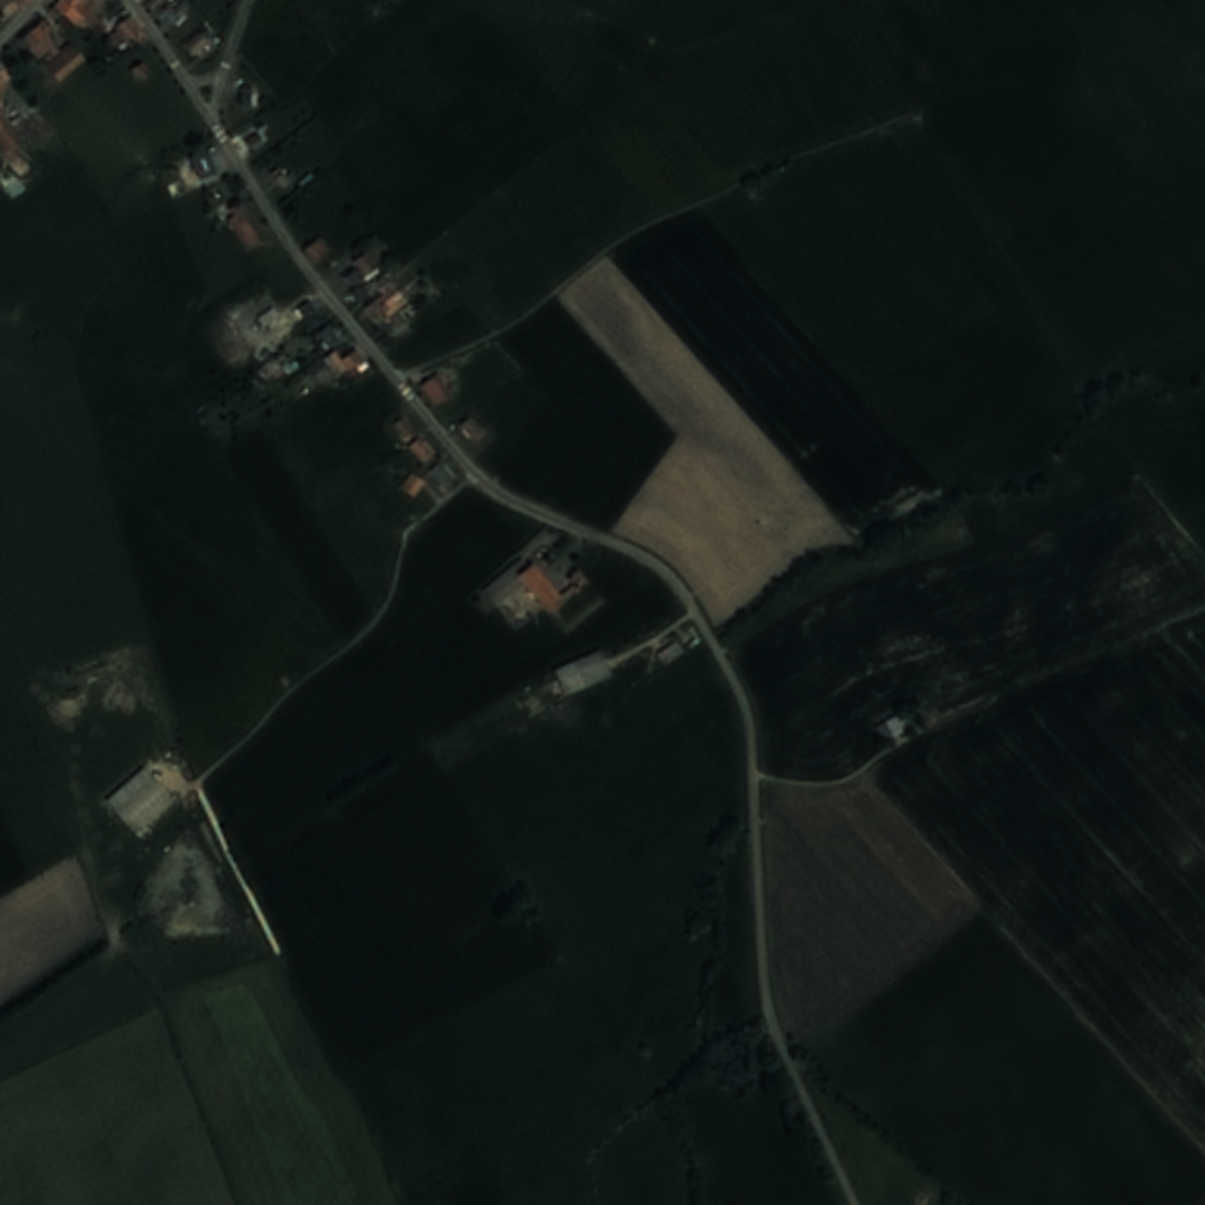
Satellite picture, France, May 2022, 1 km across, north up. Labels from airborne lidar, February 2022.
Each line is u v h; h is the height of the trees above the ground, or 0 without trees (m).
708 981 13
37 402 0
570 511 0
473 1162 0
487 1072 0
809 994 0
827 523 0
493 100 0
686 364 0
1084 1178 0
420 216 0
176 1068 0
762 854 0
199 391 0
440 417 0
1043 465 0
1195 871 0
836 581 0
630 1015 0
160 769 0
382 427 0
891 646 0
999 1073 0
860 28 0
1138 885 0
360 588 0
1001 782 0
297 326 0
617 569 0
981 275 0
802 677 0
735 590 0
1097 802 0
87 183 0
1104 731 0
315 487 0
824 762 0
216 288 0
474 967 0
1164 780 0
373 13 0
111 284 0
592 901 0
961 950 0
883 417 0
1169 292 0
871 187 0
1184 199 0
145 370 0
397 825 0
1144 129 0
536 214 0
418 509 0
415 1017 0
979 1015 0
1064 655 0
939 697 0
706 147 0
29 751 0
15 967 0
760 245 0
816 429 0
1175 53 0
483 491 0
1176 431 0
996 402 0
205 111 0
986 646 0
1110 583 0
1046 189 0
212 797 0
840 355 0
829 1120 0
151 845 0
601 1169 0
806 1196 0
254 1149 0
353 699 0
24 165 0
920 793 0
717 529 0
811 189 0
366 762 0
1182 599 0
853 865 0
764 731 0
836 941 0
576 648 0
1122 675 0
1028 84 0
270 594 0
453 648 0
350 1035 0
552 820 0
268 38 0
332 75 0
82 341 0
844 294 0
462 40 0
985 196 0
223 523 0
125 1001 0
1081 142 0
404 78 0
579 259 0
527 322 0
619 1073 0
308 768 0
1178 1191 0
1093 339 0
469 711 0
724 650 0
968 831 0
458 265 0
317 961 0
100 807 0
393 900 0
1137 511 0
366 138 0
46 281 0
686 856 0
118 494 0
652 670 0
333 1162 0
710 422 0
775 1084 16
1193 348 0
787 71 0
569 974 0
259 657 0
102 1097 0
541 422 0
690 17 0
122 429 0
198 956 0
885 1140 9
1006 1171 0
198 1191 0
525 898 20
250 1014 0
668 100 0
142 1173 0
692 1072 17
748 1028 7
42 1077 0
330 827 0
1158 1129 0
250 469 0
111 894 0
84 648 0
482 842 0
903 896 0
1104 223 0
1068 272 0
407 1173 0
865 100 0
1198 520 0
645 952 0
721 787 0
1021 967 0
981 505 0
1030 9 0
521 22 0
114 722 0
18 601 0
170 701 0
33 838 0
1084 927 0
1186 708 0
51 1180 0
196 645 0
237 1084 0
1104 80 0
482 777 0
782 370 0
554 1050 0
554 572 0
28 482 0
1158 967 0
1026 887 0
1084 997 0
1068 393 0
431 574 0
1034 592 0
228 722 0
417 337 0
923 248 0
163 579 0
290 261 0
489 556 0
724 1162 0
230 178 6
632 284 0
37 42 0
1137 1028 0
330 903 0
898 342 0
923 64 0
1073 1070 0
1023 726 0
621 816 0
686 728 0
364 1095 0
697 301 0
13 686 0
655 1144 0
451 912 0
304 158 0
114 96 0
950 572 0
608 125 0
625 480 0
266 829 0
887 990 0
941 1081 0
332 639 0
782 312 0
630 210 0
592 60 0
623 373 0
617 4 0
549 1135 0
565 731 0
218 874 0
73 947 0
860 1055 0
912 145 0
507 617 0
